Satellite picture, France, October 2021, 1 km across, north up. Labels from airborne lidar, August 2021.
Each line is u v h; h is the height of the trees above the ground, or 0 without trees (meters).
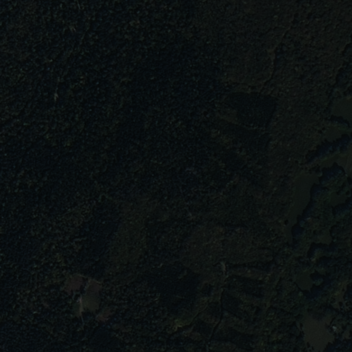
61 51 12
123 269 15
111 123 25
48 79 15
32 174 24
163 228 11
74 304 19
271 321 25
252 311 17
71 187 21
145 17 26
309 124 27
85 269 16
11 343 25
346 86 20
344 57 22
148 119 15
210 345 16
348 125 14
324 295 27
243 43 14
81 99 22
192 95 23
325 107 22
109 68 24
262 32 15
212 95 23
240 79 24
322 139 0
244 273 20
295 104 22
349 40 24
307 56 18
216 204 14
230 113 20
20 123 15
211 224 18
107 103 21
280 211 28
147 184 16
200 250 16
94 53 28
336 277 21
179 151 23
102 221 22
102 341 21
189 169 22
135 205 16
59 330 23
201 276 19
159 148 19
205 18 12
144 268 16
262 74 20
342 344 18
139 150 21
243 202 13
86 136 21
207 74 17
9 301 20
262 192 17
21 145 21
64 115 14
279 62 17
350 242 20
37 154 19
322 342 0
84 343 16
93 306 0
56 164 24
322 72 24
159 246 12
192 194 18
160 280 14
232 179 15
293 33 19
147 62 27
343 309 11
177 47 28
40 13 19
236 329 19
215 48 21
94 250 20
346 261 24
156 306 12
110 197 16
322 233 21
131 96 18
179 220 11
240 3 19
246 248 23
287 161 21
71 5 15
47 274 15
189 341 16
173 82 18
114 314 9
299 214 0
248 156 12
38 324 21
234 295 19
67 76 17
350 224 29
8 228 25
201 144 21
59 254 18
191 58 23
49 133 13
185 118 23
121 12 33
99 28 26
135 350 20
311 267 22
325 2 25
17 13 20
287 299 24
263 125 12
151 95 20
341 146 15
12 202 20
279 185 21
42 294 13
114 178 22
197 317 13
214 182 16
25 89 18
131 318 23
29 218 10
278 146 19
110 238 12
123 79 20
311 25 26
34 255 18
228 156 15
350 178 0
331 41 26
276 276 27
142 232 16
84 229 17
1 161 20
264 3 18
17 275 17
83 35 15
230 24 12
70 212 15
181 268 17
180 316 23
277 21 21
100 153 22
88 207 22
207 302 11
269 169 20
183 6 23
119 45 8
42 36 23
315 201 20
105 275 18
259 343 29
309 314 14
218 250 13
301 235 25
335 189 21
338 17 24
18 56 11
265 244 17
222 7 14
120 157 22
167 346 14
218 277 18
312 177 0
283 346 31
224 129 16
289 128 20
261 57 19
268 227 12
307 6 20
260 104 15
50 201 19
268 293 30
